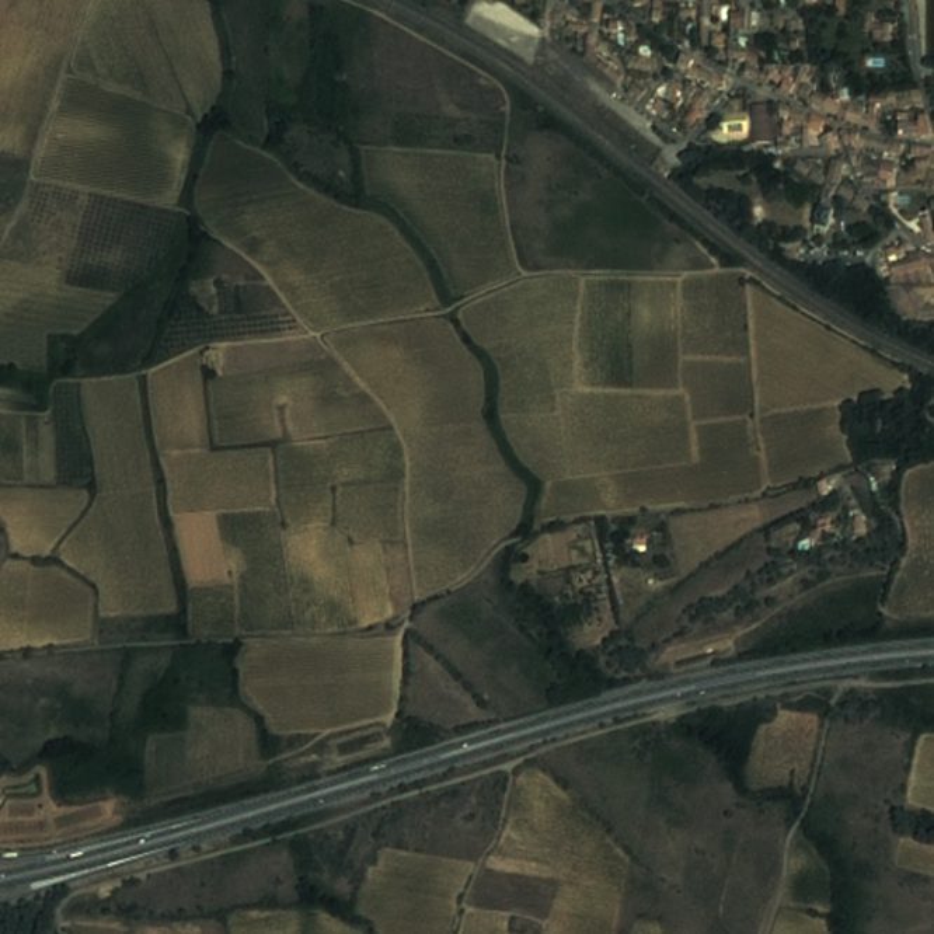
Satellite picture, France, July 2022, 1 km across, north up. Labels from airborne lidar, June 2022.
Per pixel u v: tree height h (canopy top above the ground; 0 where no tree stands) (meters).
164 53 0
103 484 0
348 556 0
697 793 0
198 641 8
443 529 0
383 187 0
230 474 0
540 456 0
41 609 0
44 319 0
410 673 11
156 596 0
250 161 0
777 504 0
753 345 0
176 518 0
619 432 0
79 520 0
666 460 0
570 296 0
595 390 0
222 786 0
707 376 0
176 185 0
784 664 0
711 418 0
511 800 0
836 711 8
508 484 0
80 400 0
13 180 0
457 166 0
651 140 0
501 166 0
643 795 0
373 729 0
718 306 0
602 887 0
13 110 0
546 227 0
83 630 0
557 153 0
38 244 0
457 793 6
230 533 0
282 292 0
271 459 0
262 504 0
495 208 0
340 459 0
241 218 0
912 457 15
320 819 0
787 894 0
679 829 0
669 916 0
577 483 0
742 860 0
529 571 0
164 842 0
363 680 0
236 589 0
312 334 0
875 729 0
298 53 0
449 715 0
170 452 0
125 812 0
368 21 0
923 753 0
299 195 0
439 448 0
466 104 0
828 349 0
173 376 0
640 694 0
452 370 0
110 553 0
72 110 0
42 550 0
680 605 0
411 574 0
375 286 0
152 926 0
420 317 0
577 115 0
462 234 0
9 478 0
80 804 0
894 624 0
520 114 0
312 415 0
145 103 0
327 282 0
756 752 0
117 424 0
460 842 0
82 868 0
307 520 0
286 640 0
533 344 0
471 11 0
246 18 0
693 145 9
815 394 0
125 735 0
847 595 0
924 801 0
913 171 0
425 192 0
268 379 0
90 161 0
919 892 0
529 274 0
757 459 0
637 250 0
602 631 0
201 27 0
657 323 0
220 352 0
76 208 0
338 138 7
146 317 0
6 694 0
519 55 0
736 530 0
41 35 0
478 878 0
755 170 13
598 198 0
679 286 0
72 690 0
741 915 0
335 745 0
